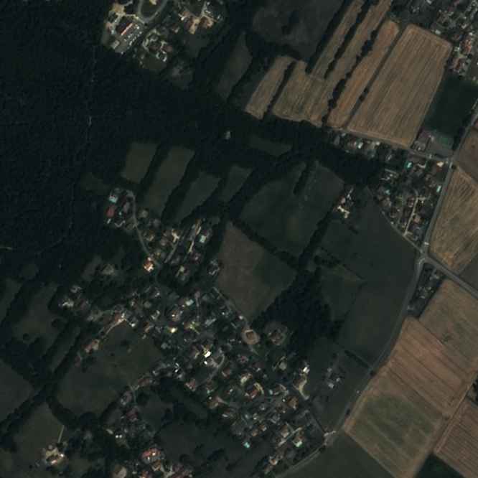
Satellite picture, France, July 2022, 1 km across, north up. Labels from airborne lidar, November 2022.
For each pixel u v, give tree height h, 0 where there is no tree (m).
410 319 0
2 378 0
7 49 19
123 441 0
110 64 19
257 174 13
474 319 0
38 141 20
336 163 13
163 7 0
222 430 12
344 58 0
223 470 0
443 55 0
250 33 10
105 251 11
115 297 7
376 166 15
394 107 0
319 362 0
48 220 17
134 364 0
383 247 0
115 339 0
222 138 17
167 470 9
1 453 0
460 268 0
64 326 13
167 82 11
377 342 0
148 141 15
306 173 12
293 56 13
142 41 6
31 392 0
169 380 18
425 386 0
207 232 0
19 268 13
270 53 21
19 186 18
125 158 6
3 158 19
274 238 0
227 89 0
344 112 0
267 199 0
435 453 0
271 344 13
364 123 0
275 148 0
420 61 0
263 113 0
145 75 15
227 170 15
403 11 11
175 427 0
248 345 16
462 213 0
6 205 19
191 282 13
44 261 17
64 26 15
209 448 0
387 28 0
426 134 0
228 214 13
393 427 0
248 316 0
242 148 16
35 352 17
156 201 0
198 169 14
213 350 9
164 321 0
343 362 0
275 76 0
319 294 9
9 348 18
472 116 9
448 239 0
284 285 0
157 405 0
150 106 22
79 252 18
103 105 19
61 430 0
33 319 0
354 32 13
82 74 20
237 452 0
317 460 0
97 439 14
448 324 0
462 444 0
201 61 16
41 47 18
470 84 0
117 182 13
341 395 0
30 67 16
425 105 0
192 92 18
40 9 16
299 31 0
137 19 0
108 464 16
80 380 0
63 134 15
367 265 0
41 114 18
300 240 0
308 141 19
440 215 0
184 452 0
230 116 16
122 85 13
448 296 0
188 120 14
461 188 0
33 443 0
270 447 0
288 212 0
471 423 0
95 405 0
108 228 14
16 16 20
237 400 7
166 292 0
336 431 0
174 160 0
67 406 0
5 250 16
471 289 0
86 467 0
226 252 0
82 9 17
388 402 0
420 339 0
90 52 14
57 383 13
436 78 0
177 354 13
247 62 0
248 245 0
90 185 0
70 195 11
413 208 6
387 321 0
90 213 15
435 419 0
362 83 0
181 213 0
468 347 0
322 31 0
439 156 10
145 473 0
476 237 0
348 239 0
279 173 16
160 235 10
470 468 0
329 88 0
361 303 0
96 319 0
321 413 0
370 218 0
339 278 0
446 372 0
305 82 0
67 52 16
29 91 19
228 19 12
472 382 0
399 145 0
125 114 16
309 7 0
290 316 20
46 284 15
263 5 21
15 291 0
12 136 15
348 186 8
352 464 0
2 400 0
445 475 0
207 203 11
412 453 0
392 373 0
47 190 17
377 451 0
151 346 0
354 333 0
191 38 0
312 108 0
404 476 0
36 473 0
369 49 17
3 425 16
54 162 20
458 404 0
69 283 16
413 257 0
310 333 21
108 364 0
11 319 16
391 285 0
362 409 0
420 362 0
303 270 18
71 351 11
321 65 0
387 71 0
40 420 0
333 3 0
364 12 9
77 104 13
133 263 15
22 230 17
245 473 0
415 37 0
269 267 0
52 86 15
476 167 0
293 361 5
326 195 0
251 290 0
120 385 0
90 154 14
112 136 16
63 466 0
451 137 0
